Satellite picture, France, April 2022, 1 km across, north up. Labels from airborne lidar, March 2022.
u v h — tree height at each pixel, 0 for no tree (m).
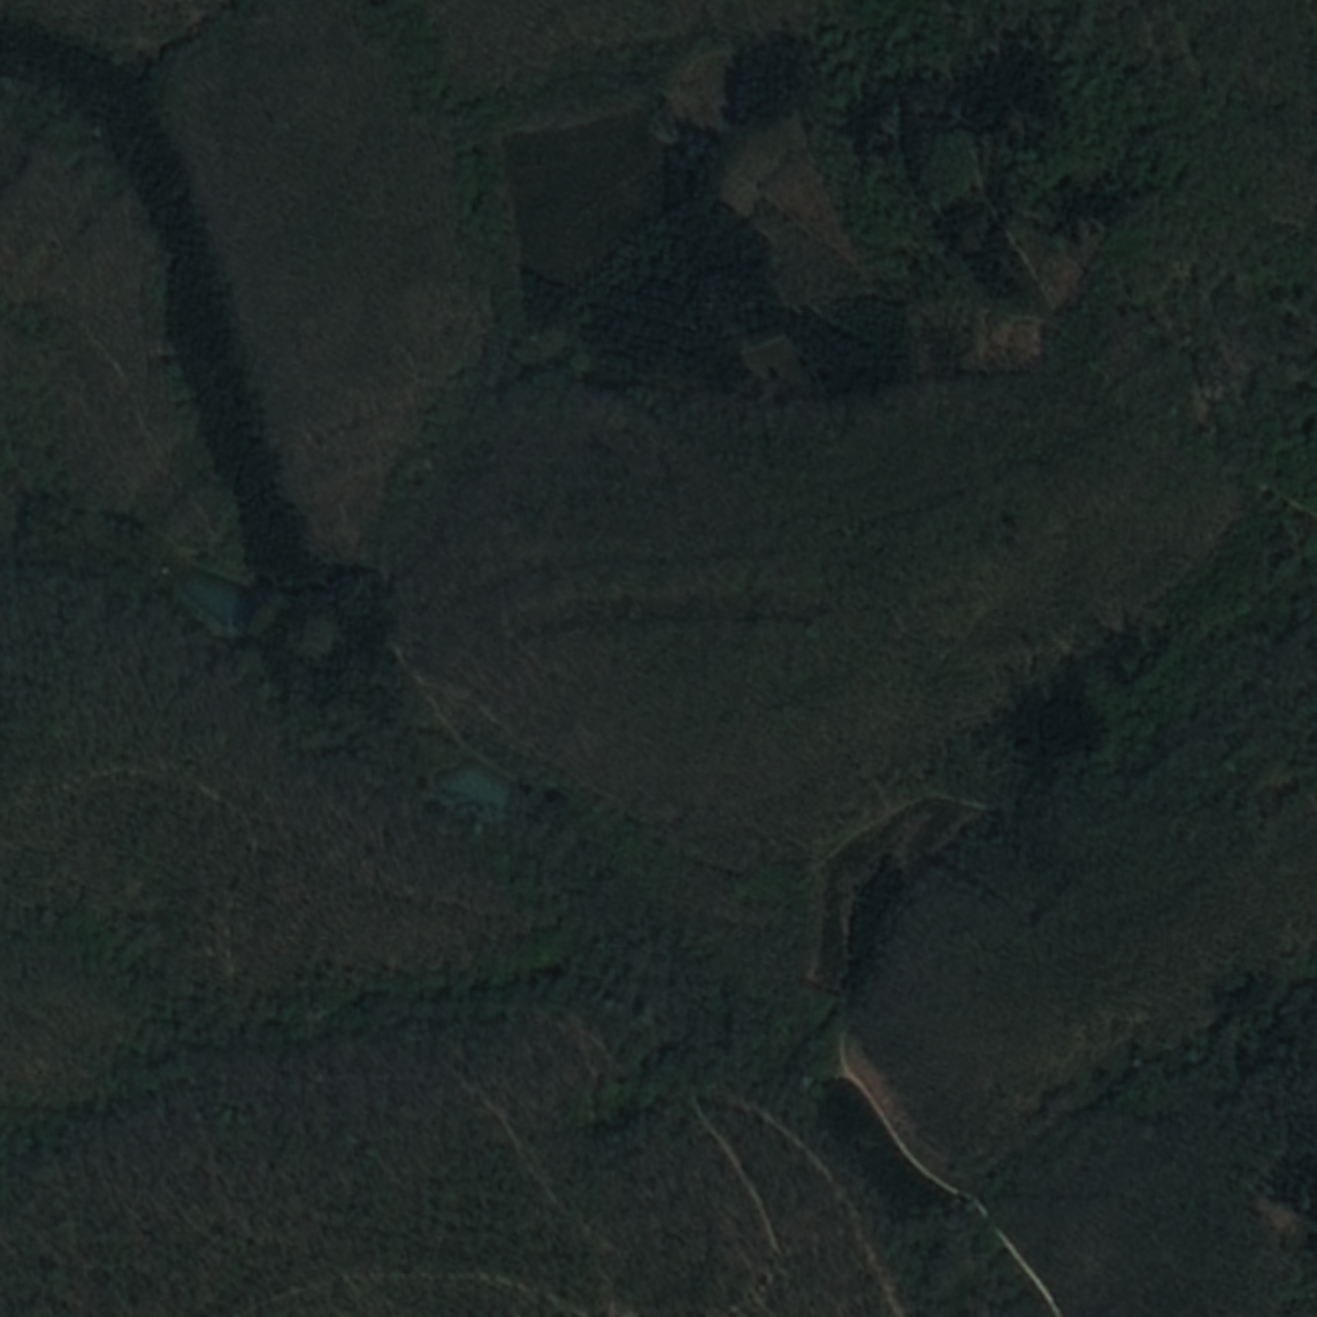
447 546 15
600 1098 21
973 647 12
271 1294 19
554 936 19
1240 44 26
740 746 22
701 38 19
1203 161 22
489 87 19
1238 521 15
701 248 17
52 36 16
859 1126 10
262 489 15
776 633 22
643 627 18
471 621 18
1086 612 18
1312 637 18
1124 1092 17
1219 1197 21
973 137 20
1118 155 17
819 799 21
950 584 20
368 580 25
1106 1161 22
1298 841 14
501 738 19
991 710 18
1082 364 19
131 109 18
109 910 24
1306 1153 11
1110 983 16
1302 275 19
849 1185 16
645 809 18
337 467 19
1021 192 16
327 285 19
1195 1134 22
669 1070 22
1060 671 13
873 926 13
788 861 19
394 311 19
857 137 11
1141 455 24
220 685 30
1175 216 12
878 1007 19
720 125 0
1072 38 18
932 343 7
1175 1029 24
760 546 19
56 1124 21
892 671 21
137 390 13
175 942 22
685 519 14
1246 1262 19
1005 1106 22
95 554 19
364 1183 19
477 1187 22
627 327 20
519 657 19
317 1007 26
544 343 17
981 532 24
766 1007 16
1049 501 22
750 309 27
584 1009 22
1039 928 15
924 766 23
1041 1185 19
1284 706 18
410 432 25
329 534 10
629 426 23
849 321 10
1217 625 20
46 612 23
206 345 14
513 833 18
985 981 19
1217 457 18
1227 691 22
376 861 21
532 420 21
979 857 14
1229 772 20
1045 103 9
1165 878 12
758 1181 20
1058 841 13
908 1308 21
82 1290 26
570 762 21
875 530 13
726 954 16
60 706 24
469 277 19
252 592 0
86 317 15
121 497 22
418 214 19
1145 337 23
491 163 18
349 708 20
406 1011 23
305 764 22
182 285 13
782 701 21
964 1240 13
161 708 24
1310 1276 16
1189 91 26
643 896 21
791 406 15
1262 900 14
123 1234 22
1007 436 18
